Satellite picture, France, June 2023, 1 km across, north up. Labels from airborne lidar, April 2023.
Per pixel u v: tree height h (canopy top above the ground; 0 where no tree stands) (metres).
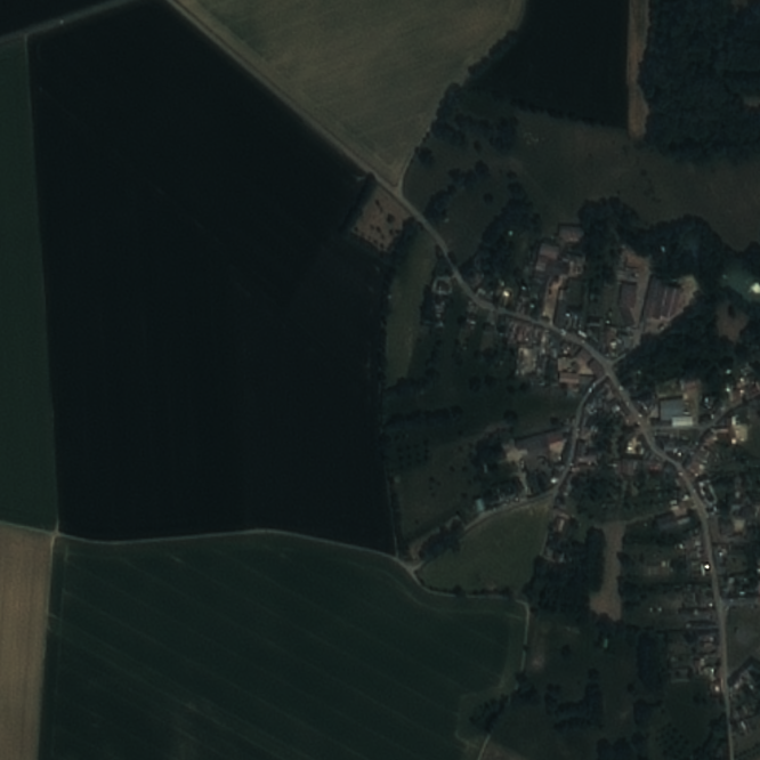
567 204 0
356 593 0
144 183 0
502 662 0
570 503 0
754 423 0
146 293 0
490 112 0
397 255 12
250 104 0
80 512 0
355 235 8
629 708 0
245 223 0
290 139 0
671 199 0
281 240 0
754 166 0
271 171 0
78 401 0
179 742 0
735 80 24
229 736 0
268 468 0
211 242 0
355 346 0
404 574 0
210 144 0
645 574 0
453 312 0
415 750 0
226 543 0
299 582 0
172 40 0
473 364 0
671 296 0
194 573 0
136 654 0
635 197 0
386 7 0
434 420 13
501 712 13
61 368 0
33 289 0
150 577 0
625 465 0
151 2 0
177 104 0
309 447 0
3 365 0
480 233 0
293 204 0
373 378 0
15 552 0
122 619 0
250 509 0
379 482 0
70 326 0
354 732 0
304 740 0
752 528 6
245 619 0
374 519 0
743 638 0
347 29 0
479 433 0
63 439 0
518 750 0
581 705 11
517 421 9
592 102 0
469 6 0
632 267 0
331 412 0
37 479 0
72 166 0
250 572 0
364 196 11
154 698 0
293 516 0
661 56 23
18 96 0
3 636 0
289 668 0
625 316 0
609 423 7
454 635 0
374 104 0
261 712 0
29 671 0
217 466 0
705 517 0
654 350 23
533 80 0
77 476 0
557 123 0
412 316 0
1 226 0
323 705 0
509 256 23
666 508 0
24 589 0
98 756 0
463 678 0
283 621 0
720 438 0
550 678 0
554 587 6
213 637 0
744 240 0
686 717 0
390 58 0
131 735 0
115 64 0
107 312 0
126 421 0
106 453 0
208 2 0
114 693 0
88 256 0
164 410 0
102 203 0
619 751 14
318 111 0
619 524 0
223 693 0
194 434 0
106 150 0
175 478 0
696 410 0
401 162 0
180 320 0
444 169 0
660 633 7
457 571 0
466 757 0
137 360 0
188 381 0
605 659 0
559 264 0
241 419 0
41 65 0
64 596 0
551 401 0
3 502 0
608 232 19
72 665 0
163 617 0
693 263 17
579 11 0
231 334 0
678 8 24
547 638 0
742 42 26
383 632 0
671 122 24
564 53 0
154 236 0
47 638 0
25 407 0
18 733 0
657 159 0
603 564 12
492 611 0
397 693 0
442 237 0
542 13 0
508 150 16
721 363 11
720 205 0
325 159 0
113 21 0
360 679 0
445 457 0
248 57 0
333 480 0
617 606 0
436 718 0
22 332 0
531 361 0
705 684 0
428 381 9
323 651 0
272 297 0
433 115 0
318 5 0
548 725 0
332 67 0
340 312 0
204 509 0
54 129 0
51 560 0
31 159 0
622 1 0
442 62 0
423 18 0
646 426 0
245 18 0
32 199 0
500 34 0
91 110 0
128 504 0
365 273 0
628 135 0
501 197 0
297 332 0
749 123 25
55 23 0
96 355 0
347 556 0
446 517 0
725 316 0
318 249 0
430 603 0
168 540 0
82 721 0
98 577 0
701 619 0
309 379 0
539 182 0
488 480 13
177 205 0
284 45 0
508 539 0
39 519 0
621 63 0
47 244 0
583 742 0
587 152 0
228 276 0
